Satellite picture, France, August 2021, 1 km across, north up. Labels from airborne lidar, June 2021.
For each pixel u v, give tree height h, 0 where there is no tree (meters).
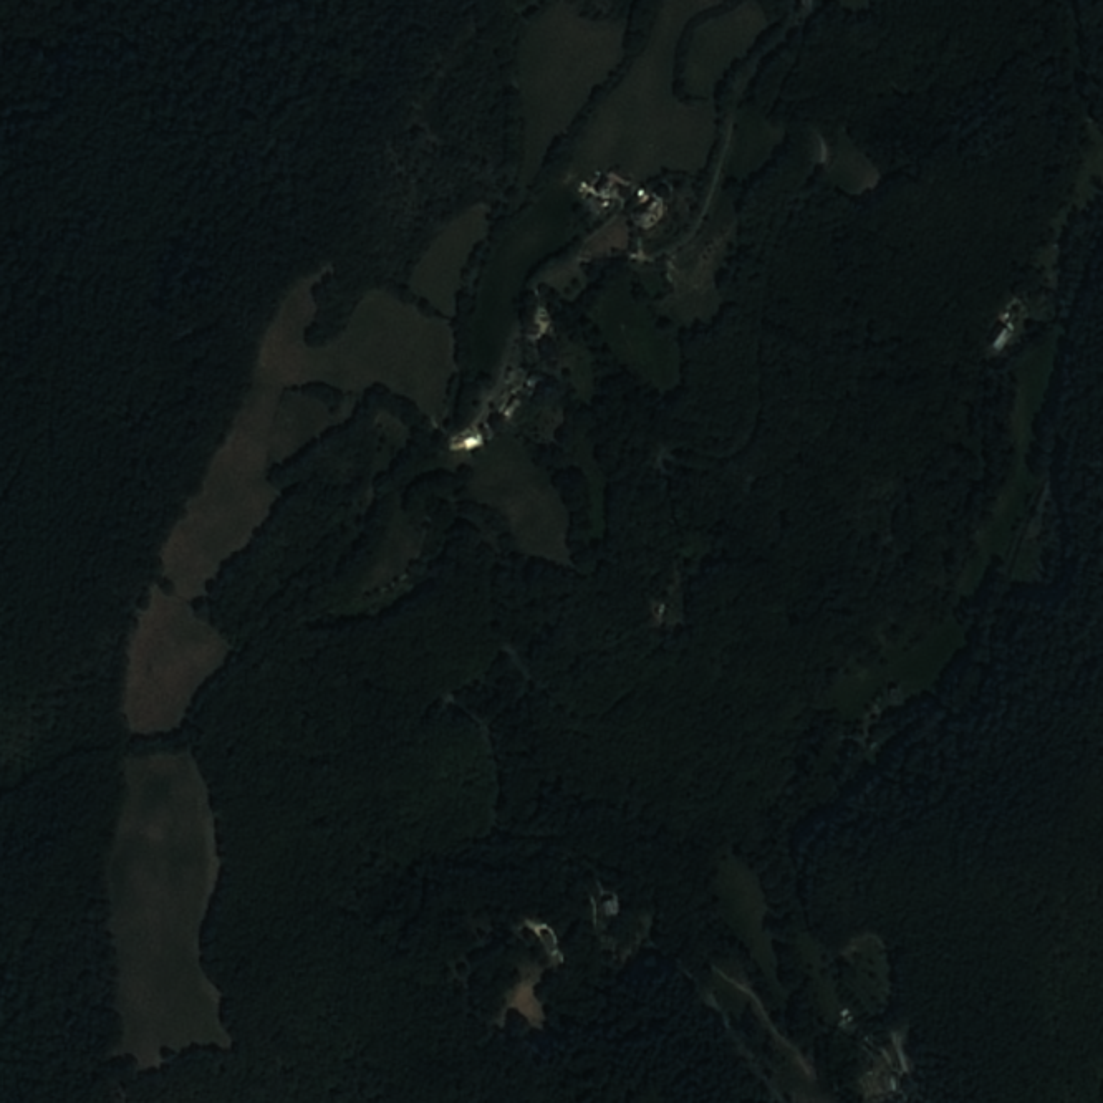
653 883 16
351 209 13
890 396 30
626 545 20
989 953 19
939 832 20
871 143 17
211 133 24
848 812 21
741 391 20
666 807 27
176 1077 14
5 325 21
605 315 0
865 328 30
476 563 31
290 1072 13
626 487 29
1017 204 23
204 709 18
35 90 19
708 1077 34
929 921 20
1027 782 20
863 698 0
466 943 13
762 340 20
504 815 25
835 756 0
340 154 16
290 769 27
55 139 23
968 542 23
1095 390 25
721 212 0
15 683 10
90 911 13
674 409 23
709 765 18
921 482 21
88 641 12
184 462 18
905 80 21
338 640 32
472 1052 17
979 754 24
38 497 16
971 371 24
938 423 32
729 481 17
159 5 21
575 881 18
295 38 27
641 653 21
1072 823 16
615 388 22
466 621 28
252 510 0
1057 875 14
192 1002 0
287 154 17
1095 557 21
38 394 17
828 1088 11
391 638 26
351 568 22
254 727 32
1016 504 0
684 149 0
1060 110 26
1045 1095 11
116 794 21
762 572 31
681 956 22
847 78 25
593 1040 33
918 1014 24
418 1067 20
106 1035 16
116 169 21
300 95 19
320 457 17
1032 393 0
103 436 17
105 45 18
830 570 25
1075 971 16
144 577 9
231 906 24
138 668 0
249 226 23
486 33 20
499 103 6
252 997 22
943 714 24
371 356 0
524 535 0
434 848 23
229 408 16
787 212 19
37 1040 16
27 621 15
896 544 6
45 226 17
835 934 19
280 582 16
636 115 0
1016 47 26
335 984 16
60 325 25
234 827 21
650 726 26
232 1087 13
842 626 28
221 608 18
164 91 21
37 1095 19
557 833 20
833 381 24
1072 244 23
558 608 23
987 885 16
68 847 27
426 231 11
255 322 17
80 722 12
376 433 14
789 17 11
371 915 13
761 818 24
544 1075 24
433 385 0
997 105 33
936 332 34
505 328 0
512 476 0
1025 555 0
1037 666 21
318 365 0
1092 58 22
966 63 21
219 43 14
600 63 0
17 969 14
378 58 14
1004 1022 19
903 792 17
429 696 27
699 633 25
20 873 24
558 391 26
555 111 0
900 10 18
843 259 32
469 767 7
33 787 23
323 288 13
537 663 27
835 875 18
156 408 19
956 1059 15
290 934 22
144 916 0
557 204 0
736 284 21
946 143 30
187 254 36
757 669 25
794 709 29
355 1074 16
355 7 16
